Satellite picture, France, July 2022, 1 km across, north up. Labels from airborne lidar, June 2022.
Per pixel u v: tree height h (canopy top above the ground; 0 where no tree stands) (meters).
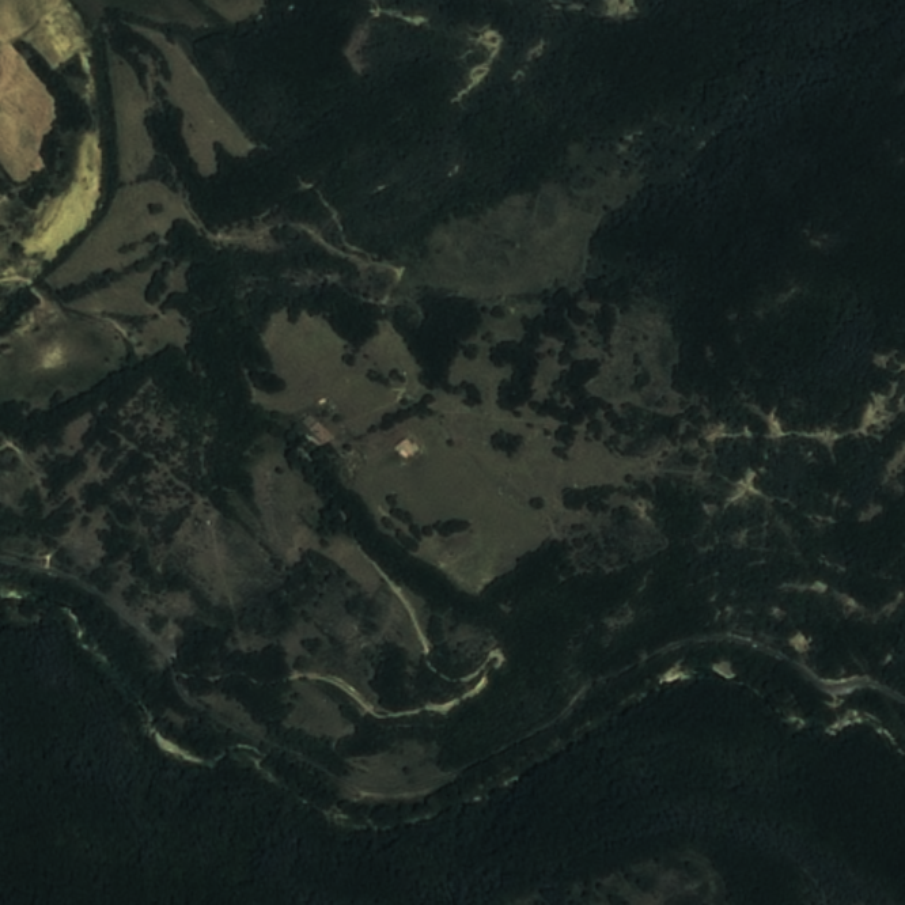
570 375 8
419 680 8
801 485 7
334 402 0
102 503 7
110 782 16
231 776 18
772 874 11
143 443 6
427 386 6
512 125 8
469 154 8
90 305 0
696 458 6
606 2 0
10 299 10
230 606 0
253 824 8
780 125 15
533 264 0
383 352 0
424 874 10
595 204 0
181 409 8
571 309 8
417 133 6
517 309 0
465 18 7
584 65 7
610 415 8
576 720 9
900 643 10
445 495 0
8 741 14
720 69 9
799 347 9
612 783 10
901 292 12
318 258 14
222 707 0
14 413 9
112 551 10
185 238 12
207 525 0
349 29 10
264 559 0
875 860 13
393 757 0
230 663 10
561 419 9
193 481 8
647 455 0
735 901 12
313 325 0
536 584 9
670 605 11
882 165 6
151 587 6
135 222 0
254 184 8
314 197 7
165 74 8
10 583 12
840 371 11
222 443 7
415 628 0
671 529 8
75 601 10
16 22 0
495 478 0
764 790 6
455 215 7
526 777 16
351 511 15
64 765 13
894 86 10
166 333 0
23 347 0
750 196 10
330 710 0
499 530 0
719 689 16
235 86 10
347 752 9
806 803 15
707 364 6
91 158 0
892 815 15
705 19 9
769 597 9
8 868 16
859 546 8
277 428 8
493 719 12
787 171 14
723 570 9
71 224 0
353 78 9
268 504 0
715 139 7
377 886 16
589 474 0
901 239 7
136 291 0
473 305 8
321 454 11
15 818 16
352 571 0
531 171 11
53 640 20
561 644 11
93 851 16
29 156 0
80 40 0
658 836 8
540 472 0
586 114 14
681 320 11
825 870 11
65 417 11
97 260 0
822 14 12
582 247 0
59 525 6
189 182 11
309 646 9
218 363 10
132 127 0
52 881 17
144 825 7
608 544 10
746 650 8
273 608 7
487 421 0
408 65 10
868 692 11
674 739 7
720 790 10
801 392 7
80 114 6
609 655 12
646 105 11
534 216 0
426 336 9
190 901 22
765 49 9
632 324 0
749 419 12
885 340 7
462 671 11
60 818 13
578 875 13
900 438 7
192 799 13
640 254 10
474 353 5
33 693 14
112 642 10
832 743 13
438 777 0
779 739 8
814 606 9
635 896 0
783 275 5
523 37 11
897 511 7
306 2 12
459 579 0
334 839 12
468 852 9
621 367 0
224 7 0
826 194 8
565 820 17
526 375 10
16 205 0
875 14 9
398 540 9
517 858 16
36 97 0
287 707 7
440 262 0
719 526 6
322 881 15
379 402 0
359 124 8
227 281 6
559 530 0
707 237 10
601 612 8
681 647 6
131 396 8
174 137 10
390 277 0
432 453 0
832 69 9
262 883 13
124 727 20
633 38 10
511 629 11
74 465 8
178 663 10
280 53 10
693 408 9
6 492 0
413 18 0
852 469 8
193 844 11
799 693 12
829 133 13
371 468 0
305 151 9
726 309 7
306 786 10
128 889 17
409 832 13
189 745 10
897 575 10
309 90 12
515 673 10
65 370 0
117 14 7
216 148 8
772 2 7
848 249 7
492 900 7
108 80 6
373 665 7
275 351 0
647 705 14
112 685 16
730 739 11
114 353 0
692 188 9
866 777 13
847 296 8
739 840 9
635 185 0
